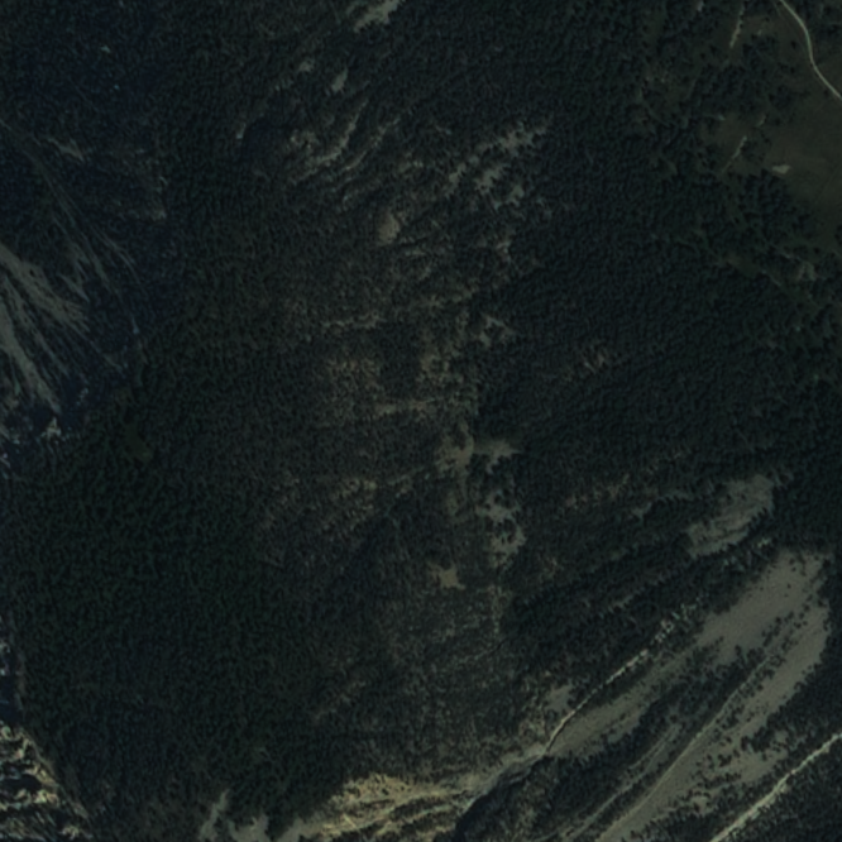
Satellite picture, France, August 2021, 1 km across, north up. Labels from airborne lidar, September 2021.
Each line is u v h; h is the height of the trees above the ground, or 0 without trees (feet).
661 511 51
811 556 0
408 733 24
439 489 29
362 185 27
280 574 44
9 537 31
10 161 41
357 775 24
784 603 0
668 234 61
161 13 25
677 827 34
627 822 0
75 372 24
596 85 57
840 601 18
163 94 39
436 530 38
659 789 0
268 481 53
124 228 36
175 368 42
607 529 37
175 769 34
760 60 61
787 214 55
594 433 31
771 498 0
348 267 38
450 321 31
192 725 27
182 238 33
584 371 63
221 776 25
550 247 51
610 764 22
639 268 53
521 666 27
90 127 40
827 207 0
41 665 33
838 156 0
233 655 48
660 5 67
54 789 0
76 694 30
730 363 56
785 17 0
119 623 29
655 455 65
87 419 21
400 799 0
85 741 49
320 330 23
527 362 52
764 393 40
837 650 31
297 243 44
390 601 30
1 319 0
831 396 83
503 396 54
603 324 31
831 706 27
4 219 46
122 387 28
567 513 32
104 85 26
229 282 39
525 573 34
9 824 23
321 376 36
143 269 35
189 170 41
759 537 69
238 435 57
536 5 68
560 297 50
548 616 42
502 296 27
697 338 78
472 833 25
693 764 0
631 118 60
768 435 51
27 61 35
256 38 44
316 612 20
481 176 39
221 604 39
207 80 46
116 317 23
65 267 33
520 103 43
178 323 27
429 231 28
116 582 55
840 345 50
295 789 28
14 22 58
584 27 54
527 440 24
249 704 50
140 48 42
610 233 25
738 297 73
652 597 49
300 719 26
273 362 49
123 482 96
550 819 24
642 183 57
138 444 0
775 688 0
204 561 49
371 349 23
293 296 38
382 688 31
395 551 23
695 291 54
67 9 48
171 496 72
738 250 67
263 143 32
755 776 0
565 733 0
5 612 19
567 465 41
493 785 0
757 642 0
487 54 31
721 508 39
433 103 39
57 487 34
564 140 53
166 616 34
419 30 30
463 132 45
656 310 37
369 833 24
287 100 38
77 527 56
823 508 77
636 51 53
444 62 36
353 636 18
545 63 52
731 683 19
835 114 0
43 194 43
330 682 29
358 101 31
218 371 65
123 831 44
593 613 25
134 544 66
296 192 44
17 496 43
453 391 30
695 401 31
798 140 0
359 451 26
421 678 24
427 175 36
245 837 0
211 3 48
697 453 29
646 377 62
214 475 56
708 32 28
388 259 25
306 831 0
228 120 33
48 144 25
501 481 28
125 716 44
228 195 53
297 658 50
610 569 38
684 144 63
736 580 67
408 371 51
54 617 64
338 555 34
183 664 49
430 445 42
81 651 52
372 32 39
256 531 55
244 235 35
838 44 24
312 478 42
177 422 62
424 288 36
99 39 31
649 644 26
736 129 0
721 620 0
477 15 49
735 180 34
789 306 59
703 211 62
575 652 48
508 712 23
